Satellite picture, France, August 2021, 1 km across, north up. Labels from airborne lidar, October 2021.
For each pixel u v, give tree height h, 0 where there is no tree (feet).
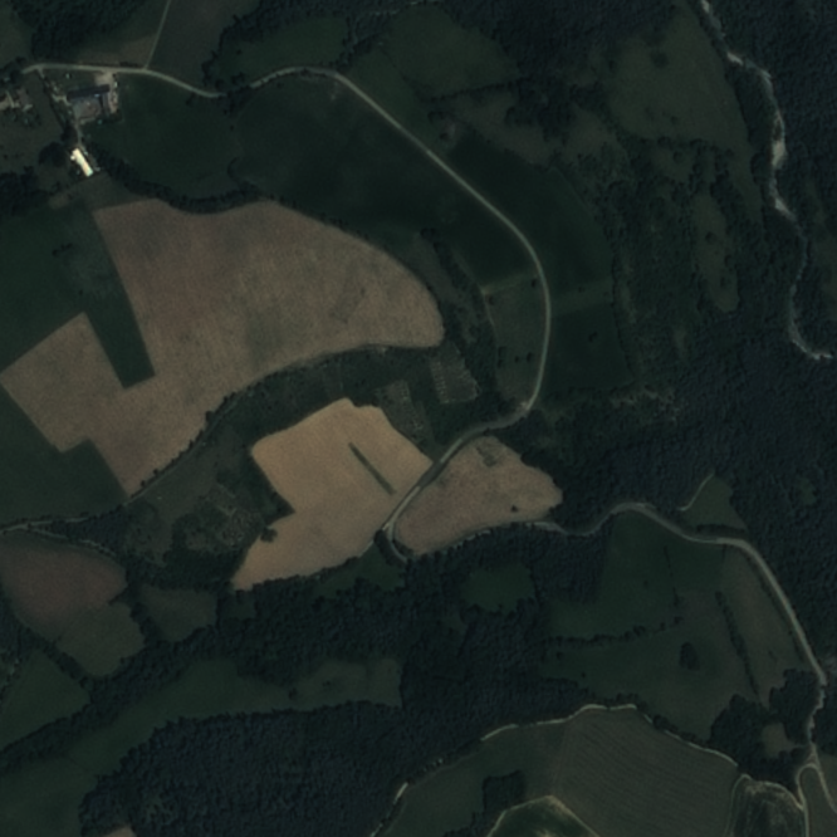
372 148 0
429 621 77
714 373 55
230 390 0
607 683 0
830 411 55
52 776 0
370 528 0
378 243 0
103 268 0
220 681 0
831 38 36
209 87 19
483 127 0
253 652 43
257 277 0
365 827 50
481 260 0
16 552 0
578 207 0
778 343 48
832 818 0
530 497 0
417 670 57
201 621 0
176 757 61
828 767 0
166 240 0
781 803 0
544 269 0
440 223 0
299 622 21
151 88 0
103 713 68
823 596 30
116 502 0
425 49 0
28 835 0
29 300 0
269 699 0
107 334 0
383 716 40
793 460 54
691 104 0
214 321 0
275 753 47
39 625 0
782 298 41
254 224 0
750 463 43
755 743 23
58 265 0
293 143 0
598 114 24
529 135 0
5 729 0
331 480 0
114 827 24
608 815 0
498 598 0
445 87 0
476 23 55
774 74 20
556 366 0
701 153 38
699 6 40
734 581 0
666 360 20
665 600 0
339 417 0
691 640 0
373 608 78
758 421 63
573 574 63
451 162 0
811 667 0
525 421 30
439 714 52
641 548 0
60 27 45
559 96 67
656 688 0
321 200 0
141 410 0
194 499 0
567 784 0
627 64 0
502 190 0
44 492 0
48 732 54
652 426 36
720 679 0
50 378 0
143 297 0
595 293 0
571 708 53
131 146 0
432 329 0
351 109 0
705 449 36
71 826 0
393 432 0
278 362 0
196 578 29
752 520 48
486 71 0
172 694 0
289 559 0
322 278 0
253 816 60
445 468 0
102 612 0
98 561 0
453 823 0
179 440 0
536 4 45
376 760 34
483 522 0
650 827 0
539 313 0
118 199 0
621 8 49
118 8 21
